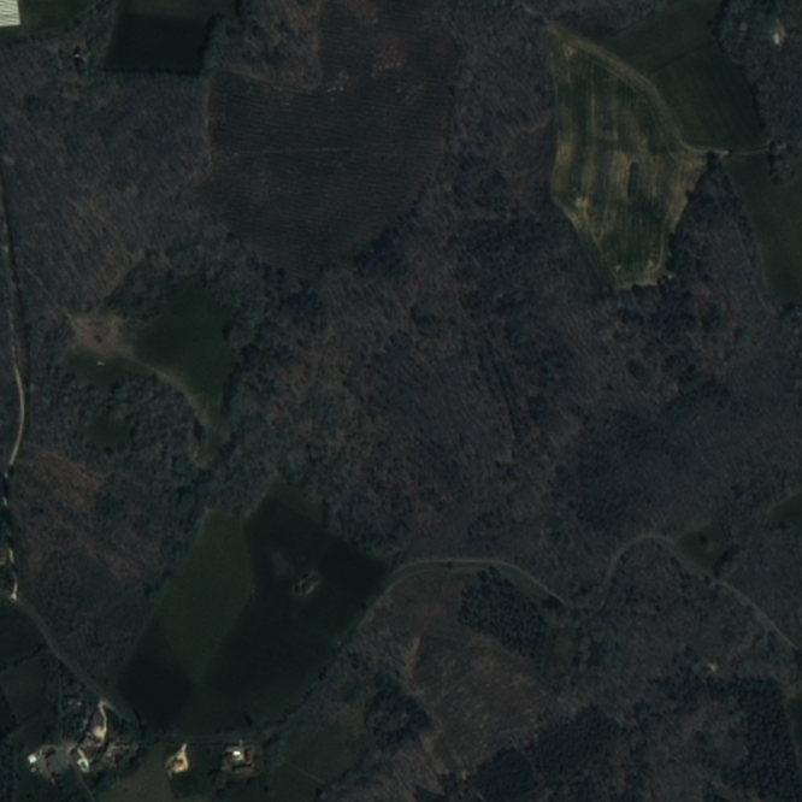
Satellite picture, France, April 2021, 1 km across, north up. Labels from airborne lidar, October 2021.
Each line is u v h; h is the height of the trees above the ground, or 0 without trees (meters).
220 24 15
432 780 19
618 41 0
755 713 20
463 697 0
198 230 15
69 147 18
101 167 16
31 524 13
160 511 17
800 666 14
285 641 0
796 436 18
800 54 20
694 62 0
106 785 14
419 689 0
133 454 9
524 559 12
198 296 0
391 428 8
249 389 19
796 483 20
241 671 0
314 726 11
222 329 0
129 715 0
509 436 8
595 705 12
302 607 0
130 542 12
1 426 19
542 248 12
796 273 0
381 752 13
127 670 0
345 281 18
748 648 9
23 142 18
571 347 15
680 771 20
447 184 15
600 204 0
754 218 0
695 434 19
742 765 15
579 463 14
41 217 18
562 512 16
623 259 0
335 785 15
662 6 19
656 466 19
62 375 14
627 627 13
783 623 13
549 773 19
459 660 0
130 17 0
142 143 22
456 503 6
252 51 10
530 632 20
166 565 15
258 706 0
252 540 0
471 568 0
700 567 0
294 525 0
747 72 16
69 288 19
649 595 8
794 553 17
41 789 0
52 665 14
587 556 11
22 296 18
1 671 6
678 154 0
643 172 0
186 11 0
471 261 12
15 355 16
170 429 8
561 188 0
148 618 19
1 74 20
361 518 20
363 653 12
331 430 13
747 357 16
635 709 10
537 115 19
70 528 12
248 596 0
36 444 12
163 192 15
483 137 17
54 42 13
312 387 12
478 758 0
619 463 19
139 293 23
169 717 0
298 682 0
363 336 13
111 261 12
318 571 0
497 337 12
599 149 0
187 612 0
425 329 23
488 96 21
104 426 0
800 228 0
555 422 15
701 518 20
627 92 0
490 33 21
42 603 7
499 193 24
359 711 0
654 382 21
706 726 10
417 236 12
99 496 6
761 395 19
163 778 0
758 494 19
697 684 13
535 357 12
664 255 0
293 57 15
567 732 20
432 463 10
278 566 0
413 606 0
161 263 20
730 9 18
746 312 21
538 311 10
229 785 7
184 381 0
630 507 18
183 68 0
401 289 23
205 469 0
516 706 0
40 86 18
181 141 17
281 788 0
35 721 0
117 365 0
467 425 19
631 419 18
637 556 10
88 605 11
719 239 19
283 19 22
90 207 19
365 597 0
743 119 0
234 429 14
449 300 13
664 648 11
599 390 12
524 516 17
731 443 20
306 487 20
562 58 0
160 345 0
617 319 14
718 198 17
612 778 13
